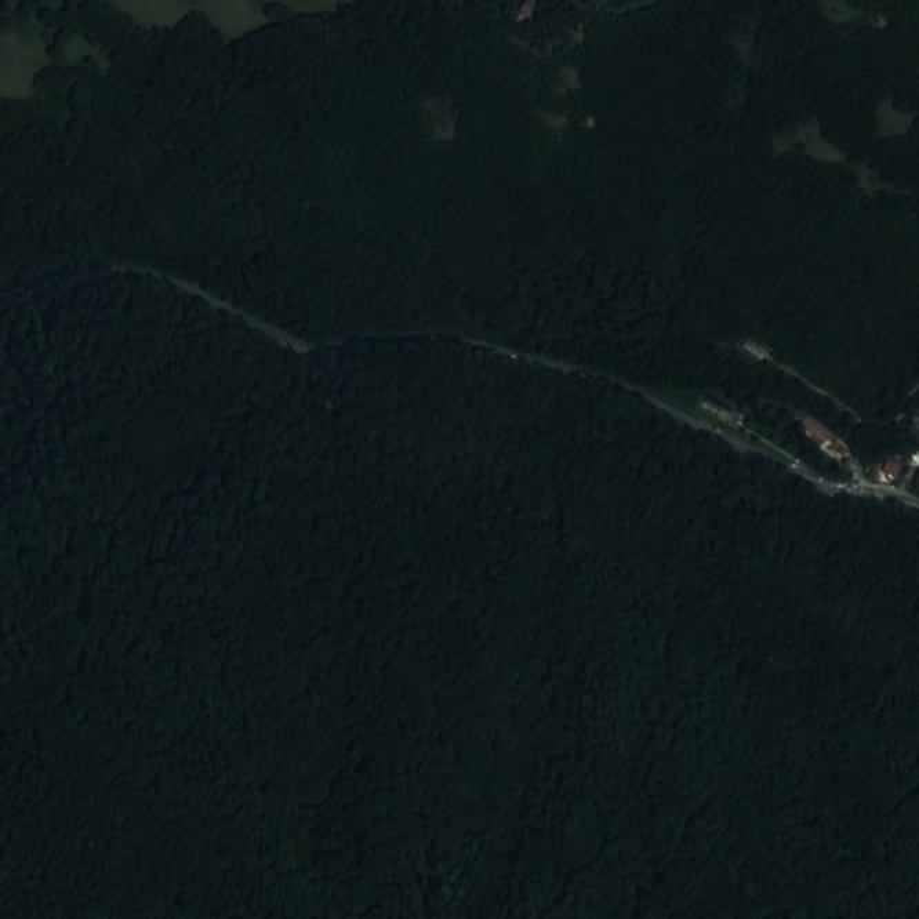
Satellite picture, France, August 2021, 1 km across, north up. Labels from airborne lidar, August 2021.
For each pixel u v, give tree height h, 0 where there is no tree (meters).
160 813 31
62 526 27
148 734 17
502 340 12
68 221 28
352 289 26
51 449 21
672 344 15
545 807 23
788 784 23
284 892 29
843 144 17
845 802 32
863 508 26
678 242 24
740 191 15
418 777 34
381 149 11
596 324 14
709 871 29
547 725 24
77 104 27
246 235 17
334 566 37
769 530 38
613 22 15
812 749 27
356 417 32
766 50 13
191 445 32
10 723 26
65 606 27
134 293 26
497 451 23
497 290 20
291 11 13
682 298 34
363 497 25
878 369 13
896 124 0
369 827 32
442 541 34
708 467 31
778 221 15
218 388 23
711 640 29
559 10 15
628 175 18
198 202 24
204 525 30
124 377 23
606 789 25
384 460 25
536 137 14
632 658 21
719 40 17
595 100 15
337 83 13
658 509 26
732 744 20
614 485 32
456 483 30
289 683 25
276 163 23
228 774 30
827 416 22
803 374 7
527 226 26
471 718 27
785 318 19
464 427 23
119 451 20
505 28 12
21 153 24
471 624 33
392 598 31
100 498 27
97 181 26
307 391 29
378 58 16
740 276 24
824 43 17
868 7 11
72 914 23
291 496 24
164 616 35
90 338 26
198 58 22
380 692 31
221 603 30
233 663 31
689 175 20
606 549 32
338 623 37
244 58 21
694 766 26
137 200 24
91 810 26
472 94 11
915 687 30
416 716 32
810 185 19
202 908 27
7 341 17
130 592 34
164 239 24
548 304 15
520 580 28
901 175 14
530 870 27
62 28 27
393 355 24
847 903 22
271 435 31
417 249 18
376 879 38
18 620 27
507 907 23
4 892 24
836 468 17
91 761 22
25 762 23
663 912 29
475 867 26
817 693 22
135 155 22
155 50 16
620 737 22
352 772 26
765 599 32
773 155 10
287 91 16
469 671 30
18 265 16
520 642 28
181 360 23
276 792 33
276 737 17
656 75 17
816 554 23
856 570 29
